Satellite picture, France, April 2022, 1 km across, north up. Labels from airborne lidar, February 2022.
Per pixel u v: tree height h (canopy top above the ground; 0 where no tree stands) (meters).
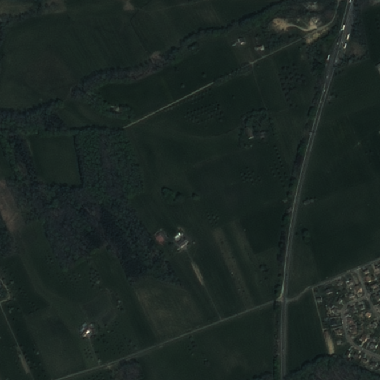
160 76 0
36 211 17
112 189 10
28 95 0
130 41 0
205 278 0
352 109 0
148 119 0
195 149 0
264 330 0
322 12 0
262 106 0
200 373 0
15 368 0
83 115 0
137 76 0
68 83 0
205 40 0
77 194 27
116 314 0
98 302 0
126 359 0
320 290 0
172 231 0
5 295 9
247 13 0
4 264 0
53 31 0
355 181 0
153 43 0
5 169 0
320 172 0
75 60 0
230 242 0
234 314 0
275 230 0
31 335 0
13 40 0
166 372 0
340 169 0
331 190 0
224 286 0
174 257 0
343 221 0
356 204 0
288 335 0
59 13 0
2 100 0
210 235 0
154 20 0
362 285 0
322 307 0
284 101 0
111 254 20
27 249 0
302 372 22
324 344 0
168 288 0
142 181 17
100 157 6
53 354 0
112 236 24
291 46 0
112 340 0
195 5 0
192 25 0
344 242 0
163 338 0
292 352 0
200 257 0
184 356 0
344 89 0
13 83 0
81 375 0
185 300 0
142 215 0
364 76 0
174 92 0
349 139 0
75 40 0
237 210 0
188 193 0
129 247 27
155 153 0
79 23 0
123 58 0
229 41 0
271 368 0
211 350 0
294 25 0
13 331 0
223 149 0
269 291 0
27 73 0
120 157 26
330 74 0
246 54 0
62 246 31
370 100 0
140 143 0
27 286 0
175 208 0
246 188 0
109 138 27
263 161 0
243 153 0
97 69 0
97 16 0
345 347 0
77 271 0
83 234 23
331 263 0
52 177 0
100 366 0
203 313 0
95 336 7
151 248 15
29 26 0
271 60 0
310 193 0
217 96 0
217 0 0
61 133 16
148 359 0
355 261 0
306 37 0
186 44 20
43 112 25
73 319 0
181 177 0
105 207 28
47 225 19
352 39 0
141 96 0
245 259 0
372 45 0
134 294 0
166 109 0
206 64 0
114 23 0
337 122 0
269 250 0
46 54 0
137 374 25
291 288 0
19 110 0
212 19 0
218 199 0
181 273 0
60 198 23
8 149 23
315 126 0
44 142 0
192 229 0
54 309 0
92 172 26
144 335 0
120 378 0
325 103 0
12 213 0
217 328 0
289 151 0
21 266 0
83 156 25
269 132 10
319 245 0
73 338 0
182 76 0
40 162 0
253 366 0
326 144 0
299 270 0
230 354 0
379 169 0
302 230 0
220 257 0
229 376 0
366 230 0
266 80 0
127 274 17
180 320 0
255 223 0
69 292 0
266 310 0
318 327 0
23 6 0
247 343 0
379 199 0
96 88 28
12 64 0
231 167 0
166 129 0
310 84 0
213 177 0
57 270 0
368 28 0
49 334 0
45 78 0
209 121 0
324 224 0
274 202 0
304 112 0
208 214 0
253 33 0
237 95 0
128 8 0
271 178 0
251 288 0
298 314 0
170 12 0
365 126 0
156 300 0
